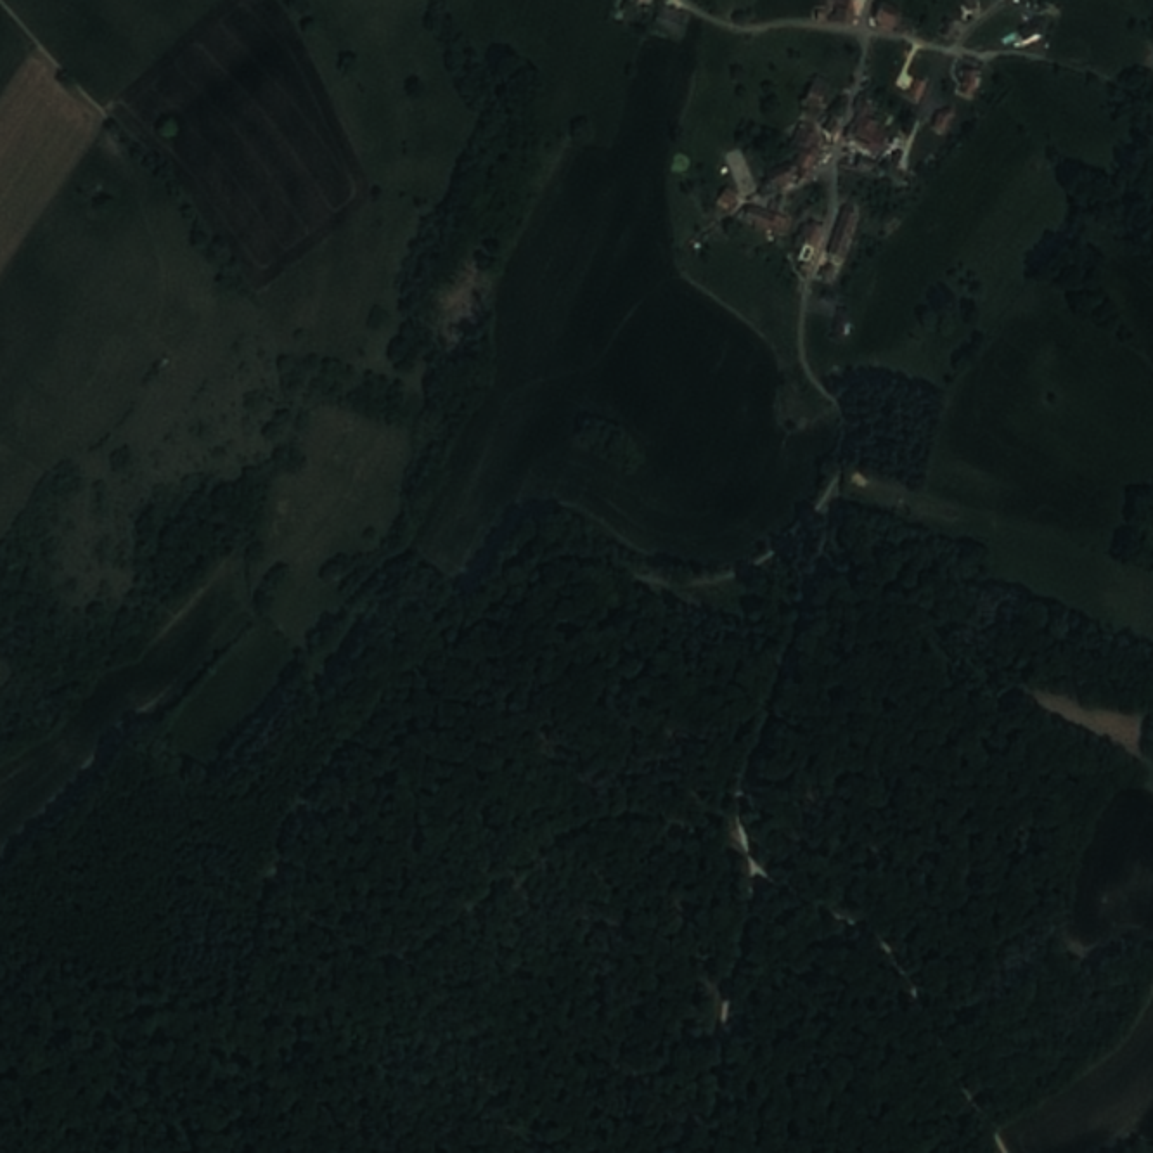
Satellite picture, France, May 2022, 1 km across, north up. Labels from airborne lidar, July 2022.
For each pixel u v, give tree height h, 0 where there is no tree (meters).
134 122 0
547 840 21
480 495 0
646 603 31
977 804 30
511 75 22
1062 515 0
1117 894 0
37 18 0
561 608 33
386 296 0
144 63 0
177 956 22
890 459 31
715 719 27
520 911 24
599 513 0
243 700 0
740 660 30
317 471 0
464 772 26
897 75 0
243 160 0
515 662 29
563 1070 28
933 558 19
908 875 27
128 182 0
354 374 10
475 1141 22
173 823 15
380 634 29
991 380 0
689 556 0
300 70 0
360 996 22
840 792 28
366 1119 22
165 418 0
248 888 19
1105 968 20
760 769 27
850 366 0
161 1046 27
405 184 0
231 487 10
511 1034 24
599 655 25
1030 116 0
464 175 19
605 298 0
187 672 0
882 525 22
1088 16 0
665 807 25
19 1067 34
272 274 0
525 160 9
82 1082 30
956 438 0
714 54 0
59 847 24
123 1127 27
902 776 31
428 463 19
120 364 0
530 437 0
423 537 0
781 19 0
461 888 25
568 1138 29
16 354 0
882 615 33
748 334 0
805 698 24
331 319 0
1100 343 0
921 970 29
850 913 29
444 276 26
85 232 0
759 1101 25
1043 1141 0
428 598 29
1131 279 0
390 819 26
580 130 15
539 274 0
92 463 0
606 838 28
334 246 0
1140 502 25
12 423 0
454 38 17
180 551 20
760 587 28
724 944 29
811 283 0
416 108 0
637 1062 29
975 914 30
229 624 0
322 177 0
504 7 0
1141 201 23
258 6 0
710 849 27
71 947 19
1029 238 0
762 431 0
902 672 32
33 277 0
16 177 0
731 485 0
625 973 26
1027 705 28
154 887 15
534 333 0
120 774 28
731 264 0
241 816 17
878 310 0
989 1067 26
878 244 7
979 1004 30
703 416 0
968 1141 16
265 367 0
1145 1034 0
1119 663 24
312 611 0
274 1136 26
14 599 20
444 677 30
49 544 6
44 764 0
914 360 0
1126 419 0
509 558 11
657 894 26
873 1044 29
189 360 0
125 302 0
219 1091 29
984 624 24
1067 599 0
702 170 6
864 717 31
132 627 16
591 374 0
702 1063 32
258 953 27
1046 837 28
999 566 0
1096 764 25
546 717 25
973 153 0
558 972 23
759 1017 29
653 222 0
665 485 0
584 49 0
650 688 29
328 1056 22
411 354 19
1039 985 28
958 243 0
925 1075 30
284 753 17
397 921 23
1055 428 0
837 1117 29
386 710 27
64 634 11
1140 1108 0
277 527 0
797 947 25
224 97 0
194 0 0
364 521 0
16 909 18
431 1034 23
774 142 13
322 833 29
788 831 24
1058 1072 26
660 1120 26
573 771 17
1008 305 0
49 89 0
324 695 21
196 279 0
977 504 0
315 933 25
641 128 0
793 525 8
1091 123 0
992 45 0
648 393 0
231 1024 28
